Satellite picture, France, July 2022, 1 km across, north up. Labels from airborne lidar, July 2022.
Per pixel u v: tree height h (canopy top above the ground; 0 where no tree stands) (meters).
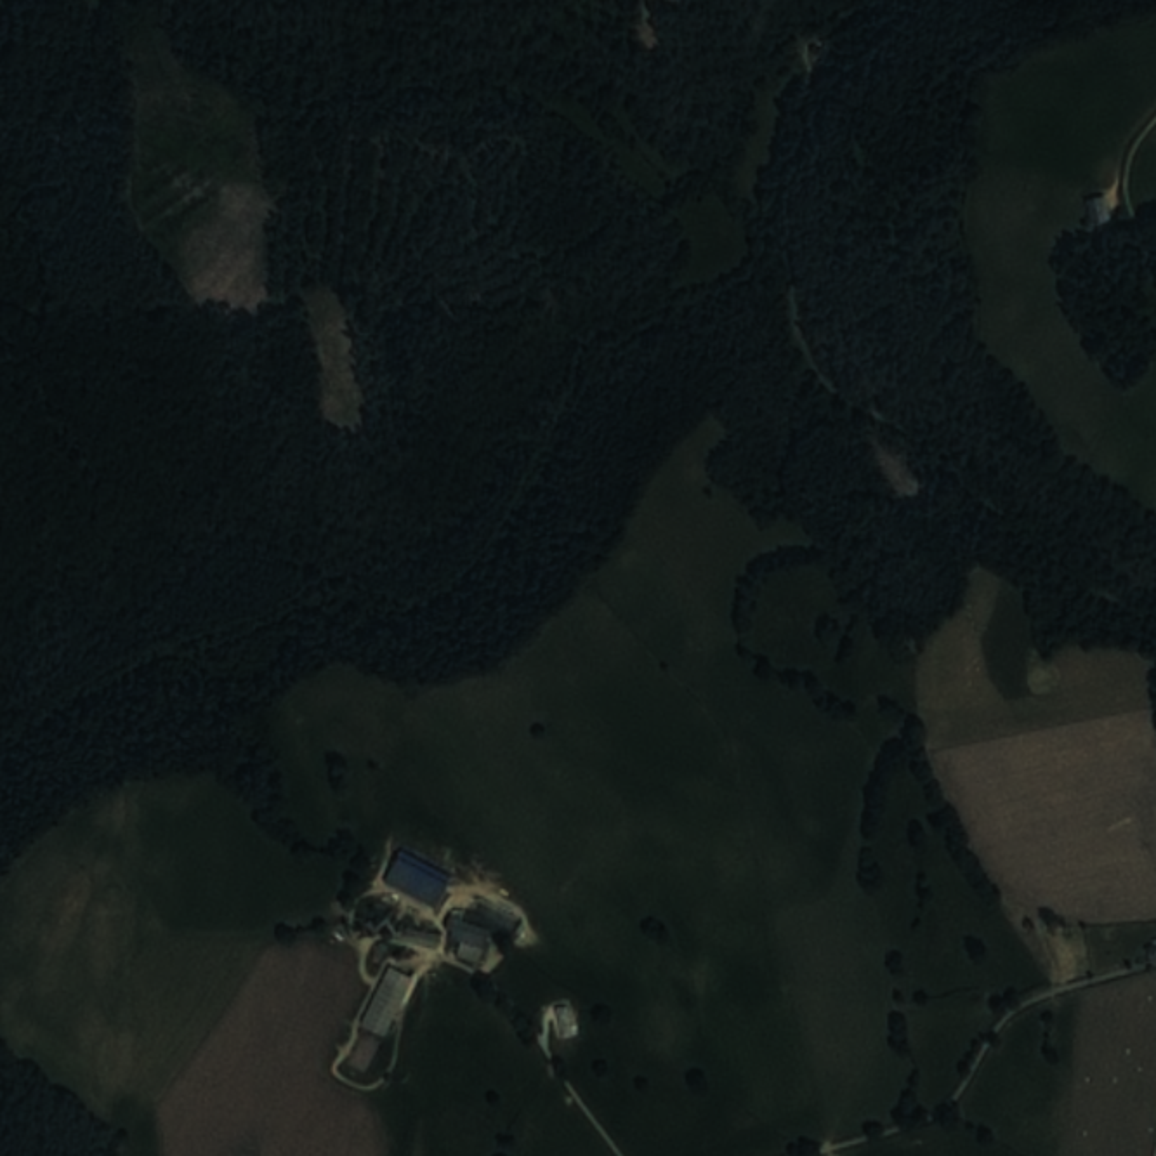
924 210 13
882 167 12
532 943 0
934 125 6
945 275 19
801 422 19
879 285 25
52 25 16
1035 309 0
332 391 0
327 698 0
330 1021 0
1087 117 0
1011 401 20
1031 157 0
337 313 0
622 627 0
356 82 16
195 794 0
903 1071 0
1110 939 0
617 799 0
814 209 25
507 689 0
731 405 16
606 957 0
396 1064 0
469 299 13
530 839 0
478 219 14
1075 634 20
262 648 13
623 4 21
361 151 11
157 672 16
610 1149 0
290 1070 0
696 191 10
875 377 17
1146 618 14
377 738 0
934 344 24
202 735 20
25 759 22
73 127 27
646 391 16
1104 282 11
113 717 16
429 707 0
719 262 0
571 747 0
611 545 12
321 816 0
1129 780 0
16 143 20
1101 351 23
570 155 18
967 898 0
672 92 20
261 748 9
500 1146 13
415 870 0
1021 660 0
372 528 8
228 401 16
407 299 15
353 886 15
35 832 20
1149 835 0
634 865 0
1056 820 0
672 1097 0
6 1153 32
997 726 0
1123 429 0
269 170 9
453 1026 0
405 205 14
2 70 8
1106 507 18
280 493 19
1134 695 0
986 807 0
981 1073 0
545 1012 0
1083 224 10
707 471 7
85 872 0
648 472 15
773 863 0
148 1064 0
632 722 0
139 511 17
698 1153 0
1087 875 0
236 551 27
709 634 0
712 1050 0
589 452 13
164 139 0
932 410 21
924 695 0
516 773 0
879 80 23
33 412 23
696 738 0
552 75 20
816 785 0
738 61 17
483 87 22
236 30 18
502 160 12
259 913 0
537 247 12
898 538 21
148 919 0
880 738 0
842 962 0
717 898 0
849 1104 0
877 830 17
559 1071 17
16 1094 22
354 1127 0
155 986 0
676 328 13
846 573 19
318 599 10
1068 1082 0
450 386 19
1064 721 0
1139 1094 0
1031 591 13
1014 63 12
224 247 0
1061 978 0
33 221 25
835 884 0
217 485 25
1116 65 0
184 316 16
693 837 0
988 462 12
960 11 20
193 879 0
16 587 19
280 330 15
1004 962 0
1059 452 20
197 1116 0
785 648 0
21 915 0
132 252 26
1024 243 0
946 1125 17
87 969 0
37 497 17
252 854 0
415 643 21
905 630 18
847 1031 0
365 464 20
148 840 0
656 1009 0
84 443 20
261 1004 0
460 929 0
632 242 16
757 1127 0
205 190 0
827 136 24
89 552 18
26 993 0
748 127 18
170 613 24
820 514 22
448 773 0
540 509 10
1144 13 15
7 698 21
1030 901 0
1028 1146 0
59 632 27
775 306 17
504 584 21
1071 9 27
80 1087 0
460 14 14
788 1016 0
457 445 21
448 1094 0
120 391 22
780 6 11
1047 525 16
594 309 18
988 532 21
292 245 15
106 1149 11
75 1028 0
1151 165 0
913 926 6
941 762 0
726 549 0
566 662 0
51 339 20
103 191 30
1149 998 0
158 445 19
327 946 0
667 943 11
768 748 0
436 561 27
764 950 0
